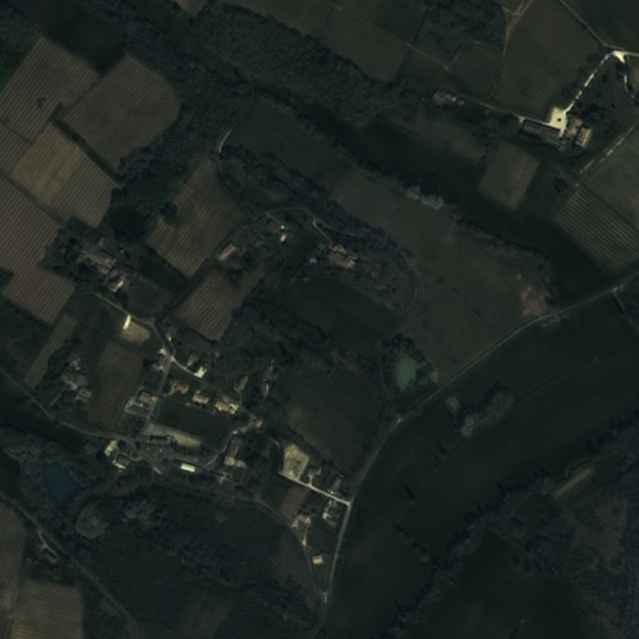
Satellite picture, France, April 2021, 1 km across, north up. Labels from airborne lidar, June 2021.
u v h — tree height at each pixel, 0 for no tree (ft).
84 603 0
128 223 0
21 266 0
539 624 0
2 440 59
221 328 0
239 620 21
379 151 0
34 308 0
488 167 0
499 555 0
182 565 27
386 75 0
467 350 0
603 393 0
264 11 0
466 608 0
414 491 0
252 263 65
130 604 23
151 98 0
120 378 0
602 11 0
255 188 0
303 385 0
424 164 0
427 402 0
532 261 0
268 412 55
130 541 51
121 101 0
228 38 69
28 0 0
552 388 0
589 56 0
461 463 0
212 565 51
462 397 0
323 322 0
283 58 69
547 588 0
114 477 64
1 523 0
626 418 0
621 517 0
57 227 0
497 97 0
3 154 0
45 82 0
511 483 0
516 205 0
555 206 0
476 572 0
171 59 71
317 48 27
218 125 40
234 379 0
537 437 0
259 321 88
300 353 28
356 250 30
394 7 0
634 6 0
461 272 0
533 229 0
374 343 0
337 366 44
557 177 0
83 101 0
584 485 0
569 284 0
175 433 0
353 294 0
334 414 0
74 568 32
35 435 53
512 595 0
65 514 53
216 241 0
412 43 0
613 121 27
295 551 0
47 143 0
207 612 0
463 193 0
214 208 0
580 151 42
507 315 0
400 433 0
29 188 0
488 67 0
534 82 0
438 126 0
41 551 0
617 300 0
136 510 111
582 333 0
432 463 0
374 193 0
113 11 59
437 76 0
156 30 32
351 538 21
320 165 0
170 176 72
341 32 0
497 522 47
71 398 43
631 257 0
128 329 0
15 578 0
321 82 85
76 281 44
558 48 0
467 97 0
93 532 82
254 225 41
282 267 21
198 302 0
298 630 37
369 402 0
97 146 0
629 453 59
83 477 55
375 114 75
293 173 26
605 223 0
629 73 57
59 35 0
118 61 0
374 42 0
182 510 26
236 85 24
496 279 0
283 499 0
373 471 0
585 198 0
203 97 30
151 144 0
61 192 0
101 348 0
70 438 0
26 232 0
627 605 37
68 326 0
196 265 0
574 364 0
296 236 0
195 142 55
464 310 0
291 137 0
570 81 0
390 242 30
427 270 0
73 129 0
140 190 77
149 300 0
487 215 0
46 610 0
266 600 52
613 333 0
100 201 0
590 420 0
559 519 39
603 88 0
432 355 0
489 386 0
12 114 0
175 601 32
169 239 0
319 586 0
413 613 47
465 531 0
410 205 0
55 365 33
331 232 21
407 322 0
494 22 47
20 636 0
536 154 0
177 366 0
